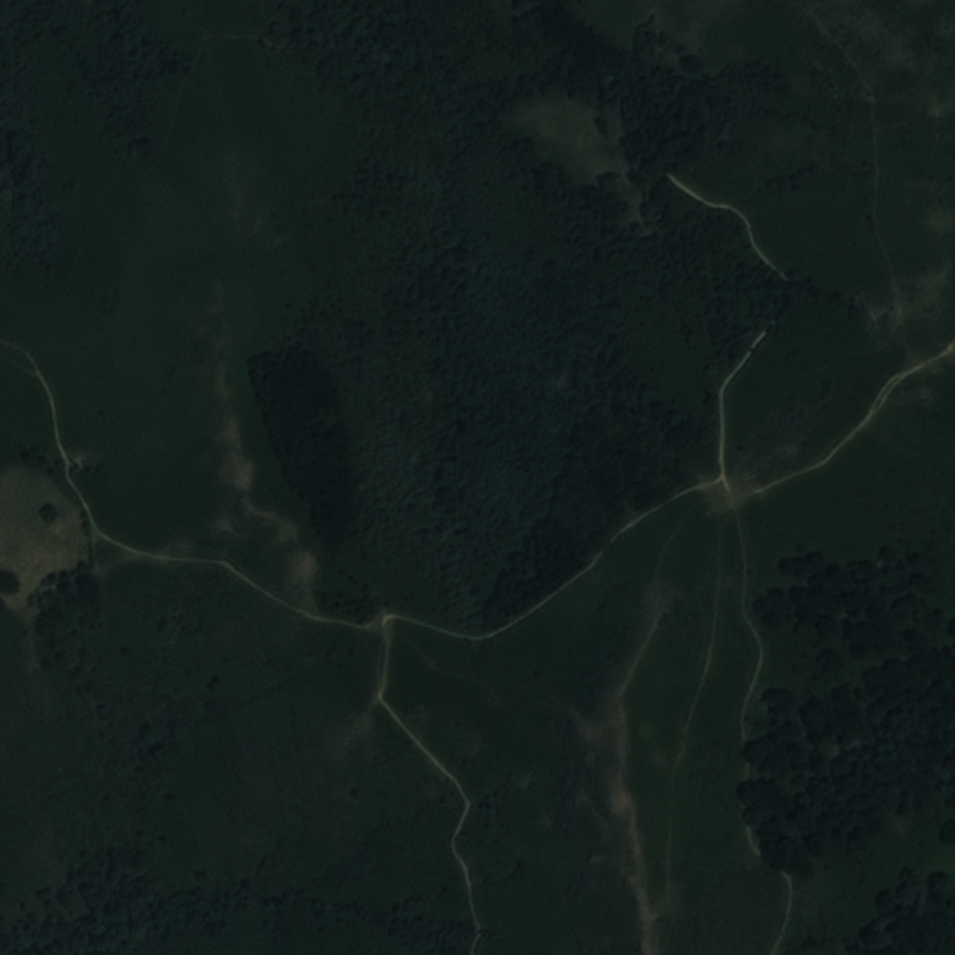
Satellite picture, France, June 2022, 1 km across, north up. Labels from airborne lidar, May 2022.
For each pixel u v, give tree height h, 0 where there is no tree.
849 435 0
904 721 20
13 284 0
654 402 10
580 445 13
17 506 0
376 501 16
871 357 0
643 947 0
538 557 11
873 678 20
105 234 0
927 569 24
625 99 15
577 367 7
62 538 0
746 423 0
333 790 0
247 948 0
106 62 10
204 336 0
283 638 0
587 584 0
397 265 6
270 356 12
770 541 0
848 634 24
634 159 20
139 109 7
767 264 6
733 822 0
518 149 7
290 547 0
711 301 9
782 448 0
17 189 8
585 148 0
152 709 11
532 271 8
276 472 0
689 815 0
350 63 19
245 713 0
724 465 0
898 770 14
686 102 27
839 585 27
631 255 10
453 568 8
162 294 0
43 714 0
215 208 0
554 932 0
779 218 0
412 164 9
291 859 0
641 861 0
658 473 15
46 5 10
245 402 0
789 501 0
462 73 15
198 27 0
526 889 0
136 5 8
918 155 0
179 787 0
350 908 8
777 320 9
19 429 0
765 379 0
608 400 11
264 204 0
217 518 0
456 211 13
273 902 19
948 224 0
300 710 0
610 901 0
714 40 0
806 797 18
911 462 0
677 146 23
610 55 18
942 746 27
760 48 0
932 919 30
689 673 0
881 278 0
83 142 0
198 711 7
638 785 0
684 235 9
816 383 0
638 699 0
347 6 17
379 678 0
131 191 0
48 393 0
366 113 9
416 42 22
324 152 0
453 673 0
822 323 0
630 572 0
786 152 0
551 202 10
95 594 19
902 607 25
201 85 0
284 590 0
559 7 17
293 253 0
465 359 10
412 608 0
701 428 5
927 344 0
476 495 8
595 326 12
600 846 0
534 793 0
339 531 18
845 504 0
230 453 0
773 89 10
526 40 9
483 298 7
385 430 8
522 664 0
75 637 6
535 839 0
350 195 8
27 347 0
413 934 7
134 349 0
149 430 0
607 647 0
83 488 0
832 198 0
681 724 0
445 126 9
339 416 7
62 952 21
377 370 7
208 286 0
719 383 0
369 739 0
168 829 0
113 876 23
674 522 0
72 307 0
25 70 6
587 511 16
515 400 9
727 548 0
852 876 0
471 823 0
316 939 0
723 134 11
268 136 0
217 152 0
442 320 10
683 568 0
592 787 0
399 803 0
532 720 0
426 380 11
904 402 0
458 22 20
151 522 0
